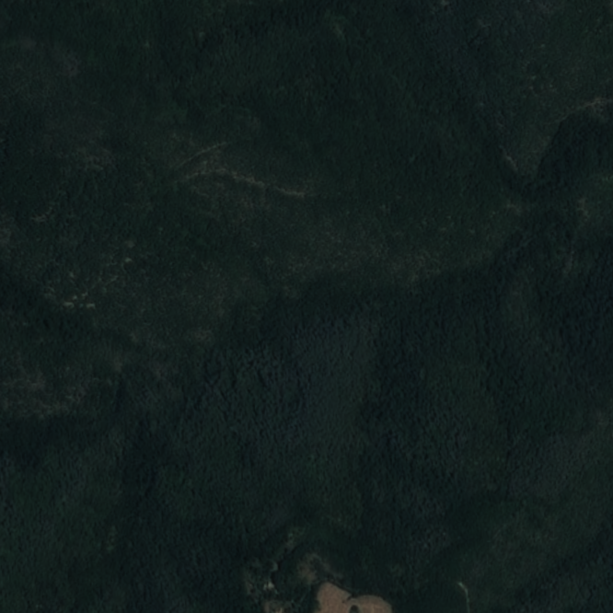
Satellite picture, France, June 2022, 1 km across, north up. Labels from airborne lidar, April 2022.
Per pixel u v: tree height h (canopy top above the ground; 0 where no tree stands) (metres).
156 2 11
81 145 6
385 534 10
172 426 8
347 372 14
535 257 14
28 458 11
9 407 9
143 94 7
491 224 10
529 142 6
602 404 11
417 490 11
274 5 10
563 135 16
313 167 8
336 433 14
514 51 6
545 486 15
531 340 13
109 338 12
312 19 8
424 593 7
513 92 7
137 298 7
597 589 16
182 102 13
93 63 6
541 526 9
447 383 13
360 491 16
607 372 14
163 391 16
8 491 14
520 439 16
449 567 6
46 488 12
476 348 10
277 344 11
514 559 6
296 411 12
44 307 10
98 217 9
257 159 8
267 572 9
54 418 11
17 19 9
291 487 11
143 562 9
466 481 17
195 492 16
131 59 10
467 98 11
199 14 13
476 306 11
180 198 13
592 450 7
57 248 10
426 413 9
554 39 9
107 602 11
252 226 11
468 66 8
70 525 16
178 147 6
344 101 11
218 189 6
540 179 7
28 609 10
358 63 10
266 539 13
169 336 7
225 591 9
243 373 26
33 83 7
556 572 15
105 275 11
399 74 12
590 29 10
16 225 9
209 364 15
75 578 11
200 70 11
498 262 15
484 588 7
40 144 10
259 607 10
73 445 10
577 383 17
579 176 8
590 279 17
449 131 11
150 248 10
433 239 11
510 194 11
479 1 12
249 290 7
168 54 21
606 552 8
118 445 17
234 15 11
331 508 14
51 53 6
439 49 10
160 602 8
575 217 8
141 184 9
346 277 8
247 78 15
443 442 11
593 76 7
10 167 19
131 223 18
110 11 13
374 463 7
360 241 7
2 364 10
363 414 15
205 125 9
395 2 7
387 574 10
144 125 8
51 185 15
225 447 12
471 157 11
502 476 16
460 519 8
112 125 9
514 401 19
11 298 23
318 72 19
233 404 23
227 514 16
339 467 15
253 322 13
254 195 7
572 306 7
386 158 12
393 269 5
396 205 14
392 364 6
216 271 11
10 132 17
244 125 6
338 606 0
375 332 11
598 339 16
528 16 8
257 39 16
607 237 7
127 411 11
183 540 14
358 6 9
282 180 7
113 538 15
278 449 12
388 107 6
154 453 15
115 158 6
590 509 6
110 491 15
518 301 13
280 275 7
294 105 16
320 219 9
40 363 10
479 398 15
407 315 12
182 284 7
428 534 14
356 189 9
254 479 13
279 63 16
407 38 10
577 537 8
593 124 12
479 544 7
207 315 9
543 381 10
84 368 15
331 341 20
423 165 14
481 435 17
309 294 16
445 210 15
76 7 12
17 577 14
